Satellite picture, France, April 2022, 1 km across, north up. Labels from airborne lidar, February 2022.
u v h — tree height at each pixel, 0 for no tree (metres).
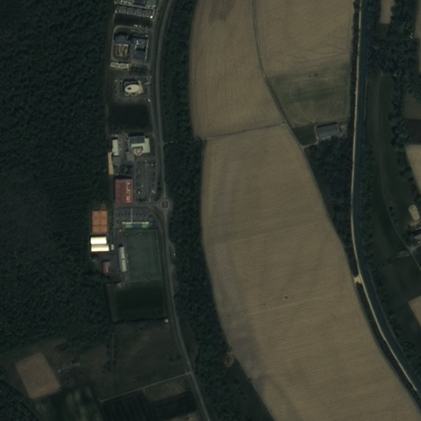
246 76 0
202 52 0
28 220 18
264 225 0
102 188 8
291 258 0
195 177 23
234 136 0
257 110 0
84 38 21
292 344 0
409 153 0
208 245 0
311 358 0
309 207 0
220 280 0
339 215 20
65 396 0
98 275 14
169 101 10
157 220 0
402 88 6
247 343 0
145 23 0
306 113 0
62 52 18
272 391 0
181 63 16
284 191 0
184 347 0
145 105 0
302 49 0
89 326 9
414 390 9
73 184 10
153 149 0
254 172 0
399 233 0
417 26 0
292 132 0
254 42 0
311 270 0
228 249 0
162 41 0
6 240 13
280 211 0
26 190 11
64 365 0
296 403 0
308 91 0
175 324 0
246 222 0
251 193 0
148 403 0
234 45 0
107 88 0
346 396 0
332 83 0
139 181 0
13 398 19
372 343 0
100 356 0
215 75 0
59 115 10
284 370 0
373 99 0
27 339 10
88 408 0
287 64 0
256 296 0
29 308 20
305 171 0
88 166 12
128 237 0
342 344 0
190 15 21
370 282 0
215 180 0
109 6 9
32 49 19
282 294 0
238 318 0
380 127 0
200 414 0
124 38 0
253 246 0
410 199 0
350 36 0
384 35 0
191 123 12
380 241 0
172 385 0
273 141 0
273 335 0
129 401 0
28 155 18
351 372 0
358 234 0
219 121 0
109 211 0
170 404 0
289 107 0
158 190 7
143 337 0
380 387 0
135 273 0
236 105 0
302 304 0
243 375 0
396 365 8
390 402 0
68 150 18
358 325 0
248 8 0
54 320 16
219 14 0
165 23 0
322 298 0
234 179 0
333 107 0
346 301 0
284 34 0
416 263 0
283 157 0
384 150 0
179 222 14
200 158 13
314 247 0
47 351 0
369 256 13
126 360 0
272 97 0
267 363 0
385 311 7
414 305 0
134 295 0
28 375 0
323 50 0
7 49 19
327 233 0
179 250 15
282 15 0
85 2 19
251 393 0
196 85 0
